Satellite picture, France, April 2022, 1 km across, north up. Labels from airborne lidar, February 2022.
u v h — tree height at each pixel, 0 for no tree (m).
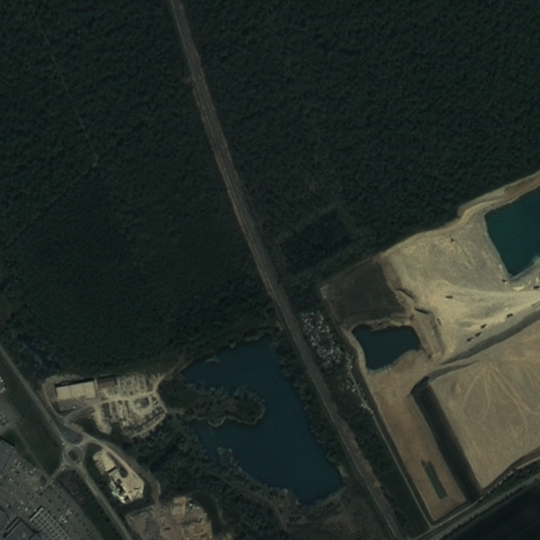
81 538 0
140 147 16
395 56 18
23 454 0
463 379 0
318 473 0
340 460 7
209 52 13
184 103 15
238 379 0
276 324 0
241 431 0
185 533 0
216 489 7
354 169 15
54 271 16
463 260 0
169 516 0
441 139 21
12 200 14
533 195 0
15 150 9
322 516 0
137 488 0
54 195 15
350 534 0
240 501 17
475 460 0
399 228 13
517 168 13
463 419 0
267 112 17
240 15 14
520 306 0
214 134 0
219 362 0
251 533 14
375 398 0
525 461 0
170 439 9
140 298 15
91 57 20
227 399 0
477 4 15
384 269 0
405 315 0
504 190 0
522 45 15
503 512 0
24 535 0
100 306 14
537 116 17
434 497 0
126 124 15
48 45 7
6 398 0
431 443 0
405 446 0
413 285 0
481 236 0
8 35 14
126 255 15
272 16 16
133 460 0
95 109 13
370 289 0
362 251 8
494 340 0
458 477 0
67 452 0
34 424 0
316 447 0
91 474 0
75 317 10
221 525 0
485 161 16
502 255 0
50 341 12
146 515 0
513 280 0
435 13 21
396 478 0
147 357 10
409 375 0
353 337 0
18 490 0
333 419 0
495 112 18
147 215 19
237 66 15
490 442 0
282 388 0
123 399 0
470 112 16
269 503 0
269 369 0
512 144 11
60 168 17
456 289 0
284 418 0
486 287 0
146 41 14
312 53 12
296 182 18
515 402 0
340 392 0
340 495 0
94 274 11
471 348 0
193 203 19
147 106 19
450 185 14
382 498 0
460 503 0
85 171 15
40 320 9
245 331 0
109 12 18
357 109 15
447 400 0
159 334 10
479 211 0
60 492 0
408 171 19
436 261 0
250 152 17
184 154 18
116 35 14
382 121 19
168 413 0
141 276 13
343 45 7
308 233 18
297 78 16
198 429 0
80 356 10
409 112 17
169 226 17
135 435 0
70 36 15
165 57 13
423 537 0
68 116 18
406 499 0
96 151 6
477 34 20
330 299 0
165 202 16
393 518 0
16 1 12
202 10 11
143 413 0
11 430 0
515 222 0
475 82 21
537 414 0
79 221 12
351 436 0
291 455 0
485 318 0
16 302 16
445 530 0
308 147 13
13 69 13
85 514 0
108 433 0
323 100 17
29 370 7
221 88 17
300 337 0
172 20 13
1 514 0
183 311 16
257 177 14
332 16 13
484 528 0
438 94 19
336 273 0
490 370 0
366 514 0
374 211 11
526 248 0
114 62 15
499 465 0
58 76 13
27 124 12
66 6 12
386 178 20
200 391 10
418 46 14
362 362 0
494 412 0
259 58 13
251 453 0
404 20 18
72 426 0
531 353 0
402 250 0
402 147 18
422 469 0
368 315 0
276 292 0
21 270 11
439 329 0
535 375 0
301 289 9
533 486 0
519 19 18
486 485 0
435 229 0
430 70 16
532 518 0
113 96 15
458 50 18
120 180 12
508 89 14
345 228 15
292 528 8
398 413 0
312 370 0
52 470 0
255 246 0
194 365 0
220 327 9
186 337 7
